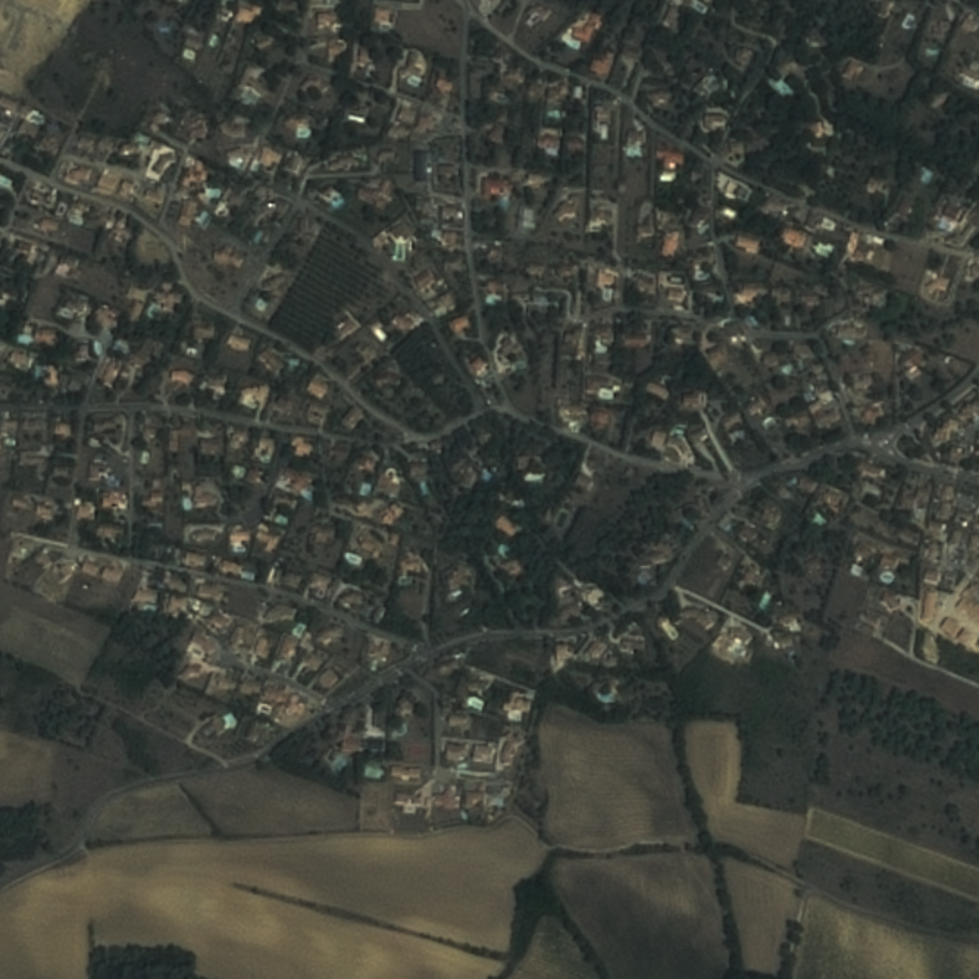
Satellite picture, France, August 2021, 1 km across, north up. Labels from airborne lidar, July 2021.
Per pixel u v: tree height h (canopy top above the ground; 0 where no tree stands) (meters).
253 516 0
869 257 0
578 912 0
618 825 0
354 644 0
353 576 10
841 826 0
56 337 7
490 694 8
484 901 0
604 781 0
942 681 0
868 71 0
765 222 13
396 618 15
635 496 15
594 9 8
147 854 0
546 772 0
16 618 0
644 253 0
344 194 11
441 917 0
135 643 8
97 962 12
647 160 10
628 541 7
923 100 11
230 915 0
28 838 8
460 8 0
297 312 8
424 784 0
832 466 10
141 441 9
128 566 0
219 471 9
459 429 7
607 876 0
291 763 11
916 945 0
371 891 0
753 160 12
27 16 0
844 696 13
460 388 6
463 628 8
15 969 0
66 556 0
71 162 0
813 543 16
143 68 0
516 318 5
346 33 12
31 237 0
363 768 9
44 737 11
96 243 8
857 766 0
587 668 12
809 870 0
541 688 9
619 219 0
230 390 8
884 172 10
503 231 10
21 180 7
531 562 9
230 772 0
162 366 5
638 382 9
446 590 7
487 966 0
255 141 0
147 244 0
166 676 10
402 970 0
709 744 0
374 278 6
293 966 0
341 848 0
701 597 0
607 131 0
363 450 8
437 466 12
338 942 0
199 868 0
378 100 11
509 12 6
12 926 0
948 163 15
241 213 6
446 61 8
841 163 9
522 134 6
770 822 0
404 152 0
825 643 10
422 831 0
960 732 15
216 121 6
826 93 10
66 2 0
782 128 13
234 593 0
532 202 8
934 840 0
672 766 0
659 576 12
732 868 0
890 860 0
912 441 6
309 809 0
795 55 10
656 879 0
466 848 0
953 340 9
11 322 8
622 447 9
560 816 0
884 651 0
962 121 17
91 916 0
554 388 7
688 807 10
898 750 13
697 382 12
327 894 0
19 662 9
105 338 0
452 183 8
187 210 0
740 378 0
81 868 0
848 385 12
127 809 0
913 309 10
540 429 13
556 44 9
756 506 7
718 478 0
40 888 0
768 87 7
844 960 0
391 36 6
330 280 6
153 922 0
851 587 0
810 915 0
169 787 0
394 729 10
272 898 0
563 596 0
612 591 10
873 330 0
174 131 9
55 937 0
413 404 8
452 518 10
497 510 16
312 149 8
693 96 8
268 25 11
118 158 6
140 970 8
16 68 0
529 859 0
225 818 0
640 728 0
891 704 13
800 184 13
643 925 0
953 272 0
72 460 8
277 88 7
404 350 9
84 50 0
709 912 0
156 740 0
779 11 11
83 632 0
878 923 0
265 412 6
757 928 0
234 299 0
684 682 6
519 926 6
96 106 0
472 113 12
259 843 0
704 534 0
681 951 0
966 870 0
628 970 0
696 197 6
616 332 9
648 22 9
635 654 6
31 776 0
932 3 8
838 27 14
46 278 0
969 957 0
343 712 8
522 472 12
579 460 13
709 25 12
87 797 0
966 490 0
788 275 0
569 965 0
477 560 13
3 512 0
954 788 0
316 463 8
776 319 13
